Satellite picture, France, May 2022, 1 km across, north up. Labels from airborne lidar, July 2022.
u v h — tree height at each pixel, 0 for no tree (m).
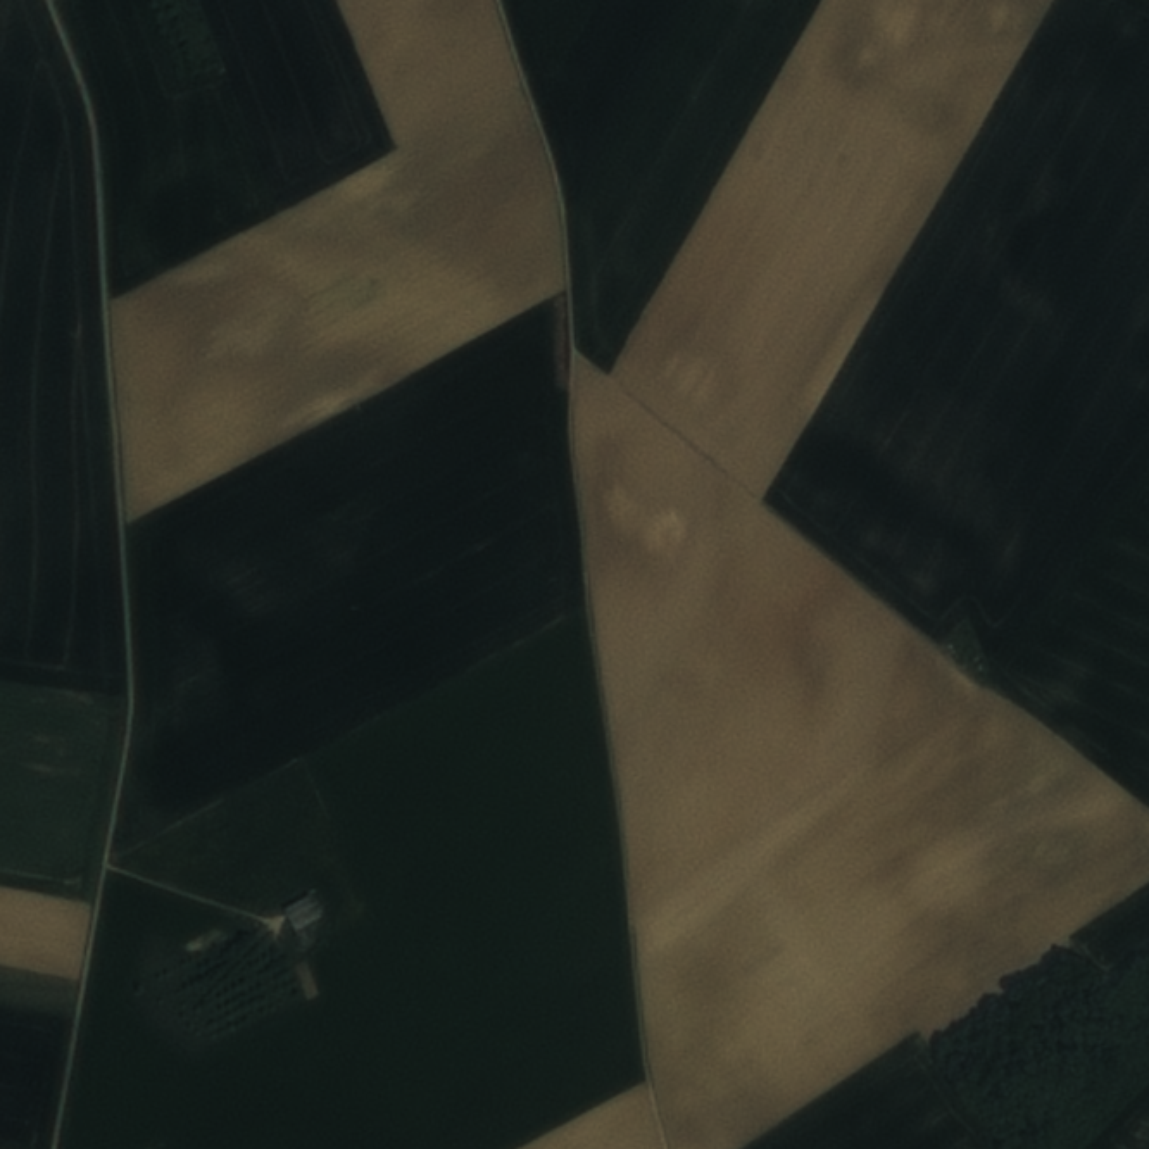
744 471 0
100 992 0
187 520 0
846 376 0
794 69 0
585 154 0
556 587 0
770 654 0
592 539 0
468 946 0
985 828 0
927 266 0
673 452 0
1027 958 0
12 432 0
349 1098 0
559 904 0
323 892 0
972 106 0
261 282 0
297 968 0
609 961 0
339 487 0
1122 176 0
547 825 0
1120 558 0
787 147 0
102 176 0
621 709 0
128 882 0
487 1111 0
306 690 0
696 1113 0
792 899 0
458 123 0
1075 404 0
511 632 0
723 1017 0
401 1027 0
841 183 0
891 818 0
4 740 0
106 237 0
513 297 0
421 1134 0
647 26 0
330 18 0
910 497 0
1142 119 0
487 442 0
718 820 0
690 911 0
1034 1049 35
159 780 0
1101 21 0
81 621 0
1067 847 0
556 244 0
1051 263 0
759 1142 0
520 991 0
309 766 0
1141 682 0
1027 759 0
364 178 0
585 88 0
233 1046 0
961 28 0
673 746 0
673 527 0
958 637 0
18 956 0
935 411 0
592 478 0
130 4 0
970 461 0
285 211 0
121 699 0
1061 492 0
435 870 0
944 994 0
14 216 0
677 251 0
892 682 0
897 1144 0
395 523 0
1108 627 0
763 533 0
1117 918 0
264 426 0
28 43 0
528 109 0
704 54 0
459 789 0
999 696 0
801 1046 0
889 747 0
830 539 0
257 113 0
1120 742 0
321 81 0
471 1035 0
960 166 0
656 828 0
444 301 0
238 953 10
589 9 0
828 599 0
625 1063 0
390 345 0
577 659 0
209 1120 0
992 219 0
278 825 0
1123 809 0
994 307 0
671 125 0
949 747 0
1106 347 0
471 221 0
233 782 0
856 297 0
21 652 0
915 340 0
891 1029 0
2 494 0
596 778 0
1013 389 0
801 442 0
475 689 0
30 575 0
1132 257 0
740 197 0
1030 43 0
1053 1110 22
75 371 0
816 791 0
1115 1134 0
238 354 0
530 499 0
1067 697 0
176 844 0
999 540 0
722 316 0
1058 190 0
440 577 0
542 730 0
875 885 0
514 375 0
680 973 0
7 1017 0
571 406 0
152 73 0
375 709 0
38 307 0
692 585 0
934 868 0
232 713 0
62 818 0
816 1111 0
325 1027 0
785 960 0
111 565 0
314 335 0
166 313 0
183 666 0
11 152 0
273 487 0
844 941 0
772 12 0
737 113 0
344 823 0
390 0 0
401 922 0
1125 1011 22
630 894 0
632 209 0
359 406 0
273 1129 0
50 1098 0
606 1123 0
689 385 0
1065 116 0
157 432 0
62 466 0
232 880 0
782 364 0
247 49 0
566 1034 0
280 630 0
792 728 0
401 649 0
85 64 0
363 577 0
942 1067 11
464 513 0
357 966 0
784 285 0
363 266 0
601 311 0
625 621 0
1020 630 0
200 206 0
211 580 0
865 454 0
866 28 0
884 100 0
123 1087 0
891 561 0
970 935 0
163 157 0
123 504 0
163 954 0
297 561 0
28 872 0
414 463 0
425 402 0
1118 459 0
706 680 0
